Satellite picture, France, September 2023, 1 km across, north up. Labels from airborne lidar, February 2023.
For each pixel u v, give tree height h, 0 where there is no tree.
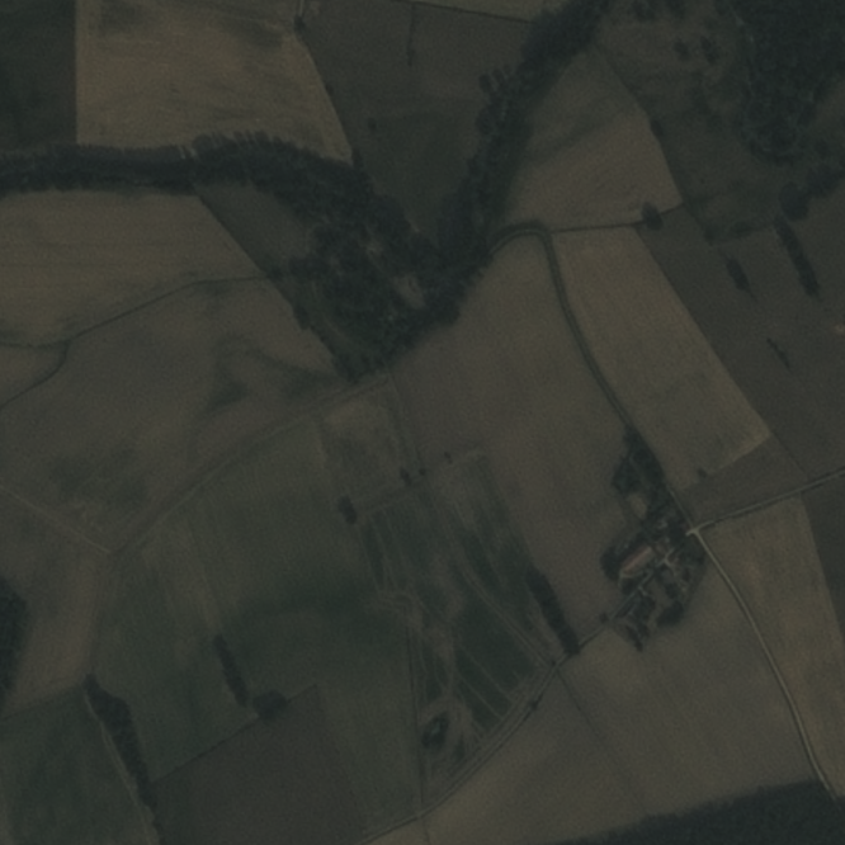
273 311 0
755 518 0
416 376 0
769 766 0
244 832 0
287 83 0
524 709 0
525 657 0
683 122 0
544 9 0
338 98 0
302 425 0
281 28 0
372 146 0
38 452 0
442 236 0
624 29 0
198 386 0
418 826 0
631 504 0
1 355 0
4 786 0
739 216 0
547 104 0
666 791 0
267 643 0
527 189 0
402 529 0
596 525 0
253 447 0
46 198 0
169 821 0
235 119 0
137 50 0
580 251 0
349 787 0
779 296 0
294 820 0
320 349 0
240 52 0
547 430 0
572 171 0
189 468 0
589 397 0
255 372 0
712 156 0
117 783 0
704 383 0
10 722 0
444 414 0
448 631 0
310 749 0
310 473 0
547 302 0
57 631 0
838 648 0
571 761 0
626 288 0
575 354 0
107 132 0
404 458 0
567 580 0
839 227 0
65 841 0
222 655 17
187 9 0
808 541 0
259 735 0
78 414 0
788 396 0
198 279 0
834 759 0
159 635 0
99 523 0
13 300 0
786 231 21
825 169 0
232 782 0
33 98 0
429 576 0
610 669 0
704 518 0
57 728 0
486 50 0
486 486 0
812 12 20
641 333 0
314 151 0
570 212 0
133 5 0
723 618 0
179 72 0
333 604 0
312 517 0
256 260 0
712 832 21
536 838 0
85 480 0
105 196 0
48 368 0
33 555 0
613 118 0
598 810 0
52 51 0
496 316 0
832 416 0
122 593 0
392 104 0
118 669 0
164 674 0
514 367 0
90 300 0
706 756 0
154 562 0
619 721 0
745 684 0
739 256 0
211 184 10
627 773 0
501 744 0
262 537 0
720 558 0
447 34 0
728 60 0
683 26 0
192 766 0
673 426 0
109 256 0
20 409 0
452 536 0
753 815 18
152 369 0
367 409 0
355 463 0
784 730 0
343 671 0
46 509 0
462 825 0
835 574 0
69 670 0
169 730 0
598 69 0
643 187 0
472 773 0
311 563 0
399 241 19
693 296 0
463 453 0
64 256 0
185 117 0
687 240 0
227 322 0
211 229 0
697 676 0
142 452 0
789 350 0
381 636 0
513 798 0
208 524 0
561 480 0
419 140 0
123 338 0
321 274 13
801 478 0
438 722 0
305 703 0
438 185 0
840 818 16
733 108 0
